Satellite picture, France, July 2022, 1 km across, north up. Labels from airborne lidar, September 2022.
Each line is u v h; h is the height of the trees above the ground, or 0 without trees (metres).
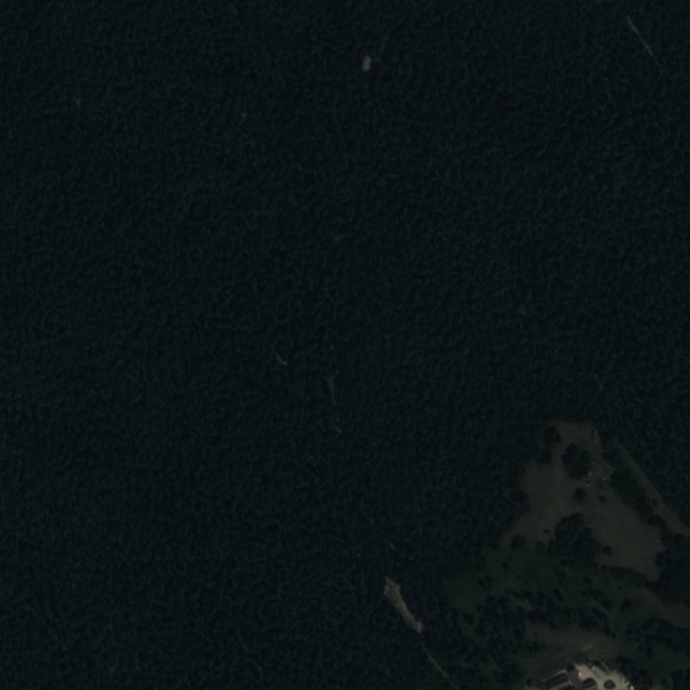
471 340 21
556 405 26
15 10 26
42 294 27
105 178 30
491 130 35
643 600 0
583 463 10
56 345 16
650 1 23
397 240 24
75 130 18
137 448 22
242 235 23
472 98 31
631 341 17
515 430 23
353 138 20
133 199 25
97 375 25
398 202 18
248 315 28
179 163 22
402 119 23
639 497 19
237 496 19
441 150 14
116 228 22
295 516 14
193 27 18
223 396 7
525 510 15
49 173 23
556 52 28
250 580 14
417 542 18
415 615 31
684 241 26
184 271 22
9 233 24
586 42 8
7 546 29
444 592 8
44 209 9
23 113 19
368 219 24
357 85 24
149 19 25
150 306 25
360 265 22
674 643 14
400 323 21
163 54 26
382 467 23
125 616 21
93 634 25
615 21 25
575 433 0
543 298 33
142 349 26
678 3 25
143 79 15
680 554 8
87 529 22
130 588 20
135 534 25
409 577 20
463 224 25
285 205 24
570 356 26
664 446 8
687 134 22
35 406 25
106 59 21
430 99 26
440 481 14
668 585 22
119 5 19
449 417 19
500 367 28
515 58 30
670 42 25
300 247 28
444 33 30
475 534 12
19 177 28
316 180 28
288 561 21
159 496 26
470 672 14
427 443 20
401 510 13
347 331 24
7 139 21
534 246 21
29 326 22
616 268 25
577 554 16
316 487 30
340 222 7
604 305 17
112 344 18
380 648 24
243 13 23
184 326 26
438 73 25
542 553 13
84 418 25
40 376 7
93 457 26
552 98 24
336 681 25
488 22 30
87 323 16
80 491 20
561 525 6
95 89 12
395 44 22
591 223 11
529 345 25
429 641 25
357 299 17
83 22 19
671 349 26
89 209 30
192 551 21
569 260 30
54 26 16
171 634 18
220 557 8
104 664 9
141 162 9
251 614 7
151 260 26
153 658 10
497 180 28
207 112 13
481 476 25
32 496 21
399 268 17
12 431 25
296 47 30
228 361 21
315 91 25
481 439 24
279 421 22
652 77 23
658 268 24
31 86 21
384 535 29
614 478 10
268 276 23
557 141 30
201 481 24
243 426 24
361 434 16
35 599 9
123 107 13
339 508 37
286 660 15
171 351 22
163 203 24
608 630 14
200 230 23
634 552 0
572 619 10
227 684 21
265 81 25
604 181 24
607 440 19
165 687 20
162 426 18
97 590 20
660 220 30
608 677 0
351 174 22
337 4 14
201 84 25
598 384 23
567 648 0
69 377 14
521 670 14
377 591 32
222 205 25
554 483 0
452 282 19
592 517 0
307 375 18
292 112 24
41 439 21
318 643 18
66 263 19
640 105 15
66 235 25
